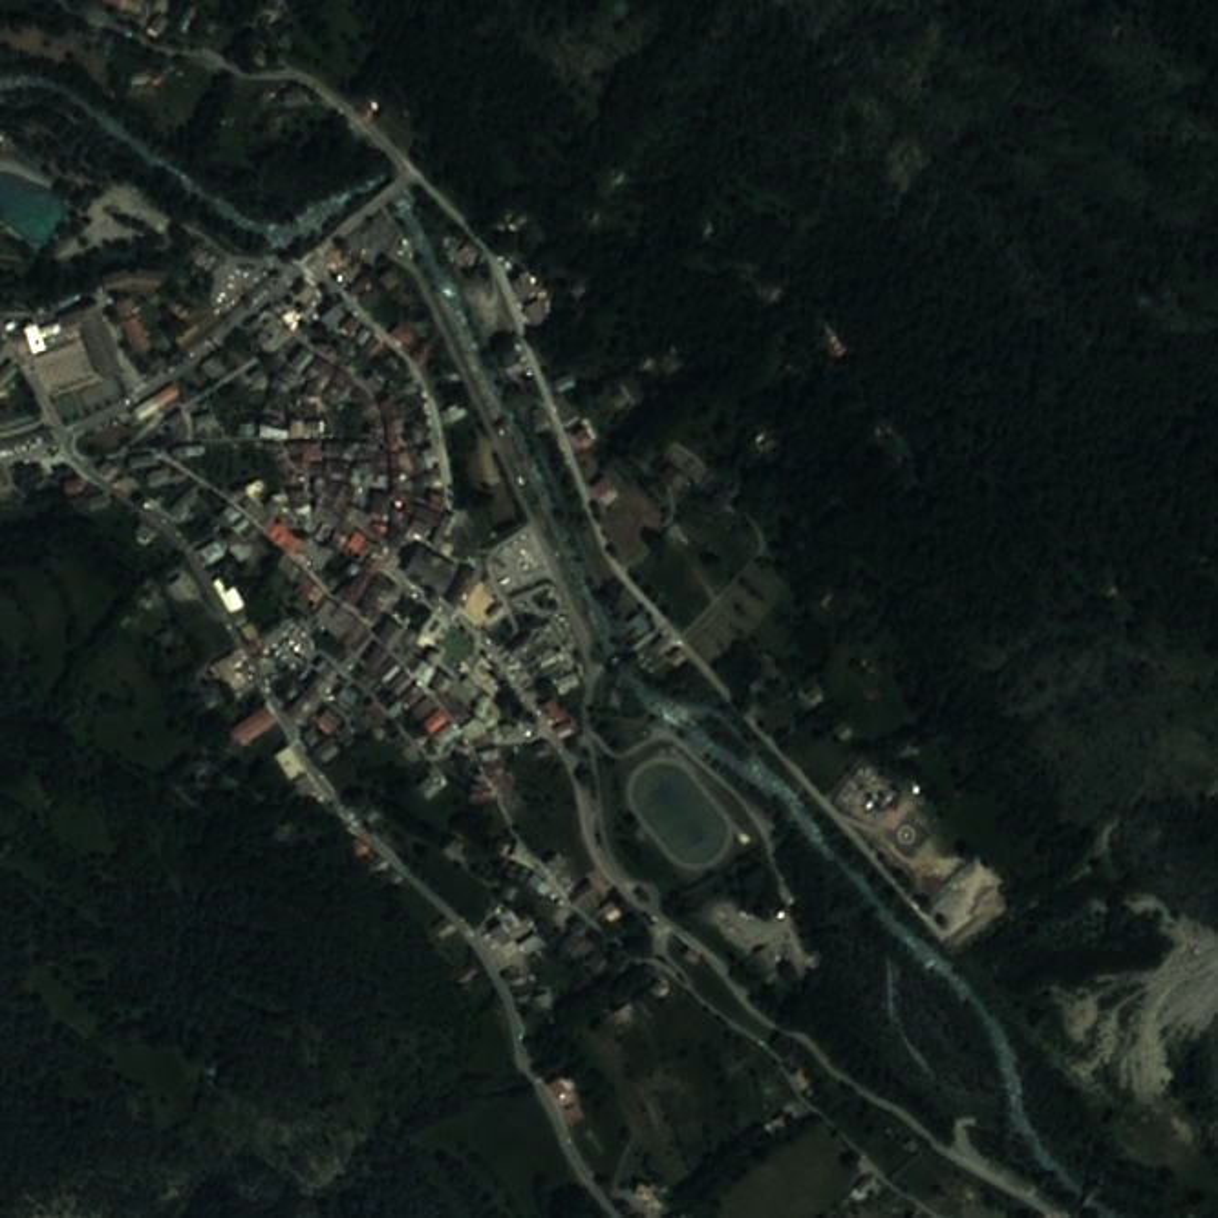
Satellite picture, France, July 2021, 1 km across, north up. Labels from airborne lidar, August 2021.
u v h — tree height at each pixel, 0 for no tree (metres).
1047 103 9
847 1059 15
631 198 9
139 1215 8
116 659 0
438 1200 8
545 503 0
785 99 9
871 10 8
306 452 0
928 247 12
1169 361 7
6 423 0
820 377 18
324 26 13
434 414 0
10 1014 13
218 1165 8
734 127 15
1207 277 9
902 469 7
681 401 15
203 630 0
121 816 11
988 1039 9
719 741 9
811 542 23
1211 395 12
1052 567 12
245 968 14
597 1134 0
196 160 15
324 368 0
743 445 12
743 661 12
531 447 7
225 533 16
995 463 19
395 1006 10
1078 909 11
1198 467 19
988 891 0
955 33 12
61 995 0
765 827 0
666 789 0
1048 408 17
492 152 14
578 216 15
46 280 17
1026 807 14
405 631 0
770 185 9
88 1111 17
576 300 12
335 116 16
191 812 10
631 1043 0
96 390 0
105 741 0
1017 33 13
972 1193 0
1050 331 13
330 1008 15
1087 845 12
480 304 0
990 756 13
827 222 9
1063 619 10
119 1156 11
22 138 18
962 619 11
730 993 0
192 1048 20
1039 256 14
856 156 11
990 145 6
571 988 6
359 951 14
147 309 0
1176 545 14
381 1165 14
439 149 16
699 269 7
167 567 9
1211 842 11
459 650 0
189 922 16
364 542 0
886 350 22
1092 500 10
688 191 16
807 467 19
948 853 0
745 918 0
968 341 26
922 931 8
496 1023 0
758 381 16
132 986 19
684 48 14
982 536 12
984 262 9
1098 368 10
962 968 8
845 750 8
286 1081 7
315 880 25
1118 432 9
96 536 17
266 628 7
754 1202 0
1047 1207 0
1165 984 0
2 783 22
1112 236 8
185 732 14
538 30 17
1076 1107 9
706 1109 0
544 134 11
